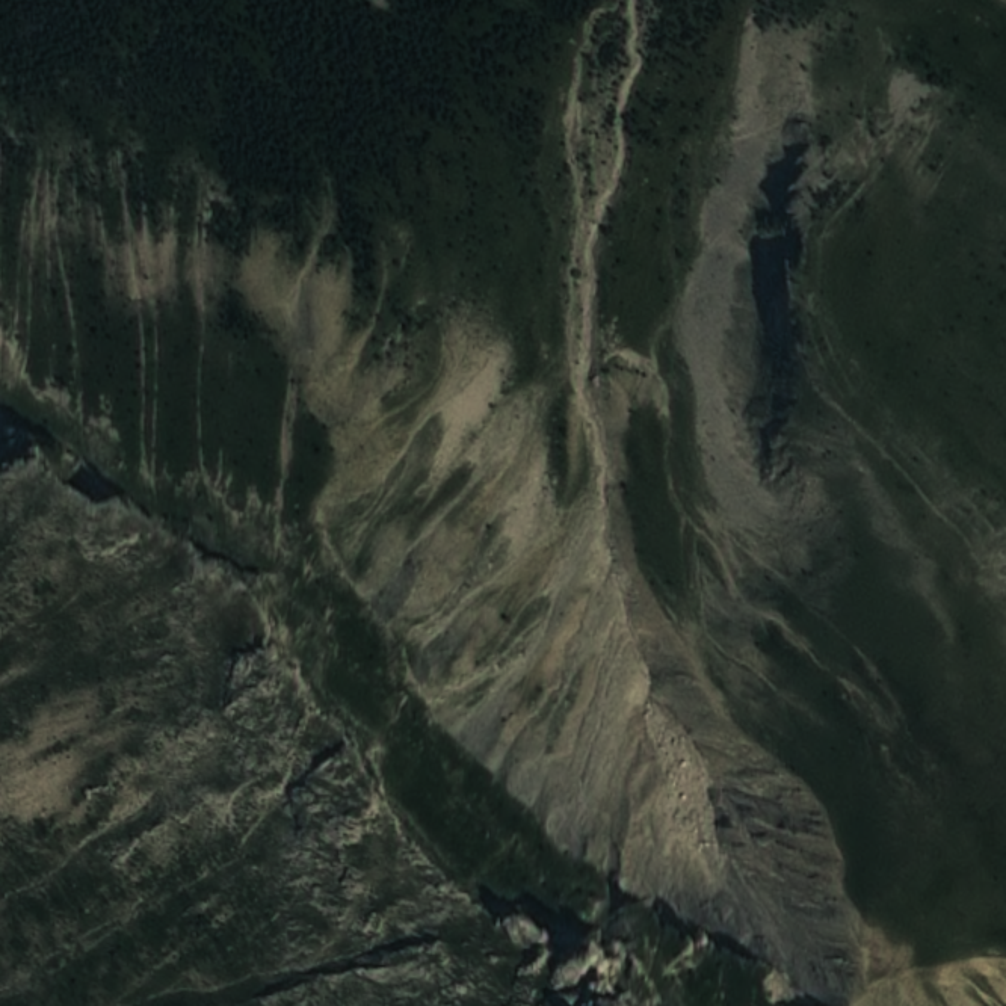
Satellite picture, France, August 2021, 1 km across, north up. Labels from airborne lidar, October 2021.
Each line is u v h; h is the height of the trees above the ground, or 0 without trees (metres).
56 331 0
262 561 0
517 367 0
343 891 0
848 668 0
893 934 0
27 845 0
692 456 0
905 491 0
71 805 0
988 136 0
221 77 7
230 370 0
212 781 0
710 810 0
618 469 0
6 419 0
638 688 0
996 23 0
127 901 0
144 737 0
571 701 0
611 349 0
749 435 0
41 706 0
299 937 0
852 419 0
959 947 0
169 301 0
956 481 0
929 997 0
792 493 0
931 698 0
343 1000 0
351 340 0
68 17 8
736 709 0
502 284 0
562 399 0
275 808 0
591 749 0
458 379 0
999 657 0
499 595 0
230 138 11
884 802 0
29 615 0
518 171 0
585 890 0
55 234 0
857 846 0
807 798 0
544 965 0
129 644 0
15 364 0
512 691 0
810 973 0
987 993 0
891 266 0
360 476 0
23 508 0
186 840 0
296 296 0
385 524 0
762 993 0
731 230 0
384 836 0
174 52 10
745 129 0
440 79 12
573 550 0
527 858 0
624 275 0
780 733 0
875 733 0
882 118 0
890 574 0
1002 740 0
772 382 0
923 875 0
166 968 0
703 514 0
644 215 0
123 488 0
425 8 9
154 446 0
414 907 0
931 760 0
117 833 0
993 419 0
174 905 0
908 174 0
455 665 0
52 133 0
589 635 0
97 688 0
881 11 0
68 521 0
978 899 0
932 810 0
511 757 0
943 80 8
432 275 0
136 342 0
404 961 0
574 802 0
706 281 0
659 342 0
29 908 0
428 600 0
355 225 9
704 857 0
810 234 0
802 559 0
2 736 0
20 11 10
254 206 6
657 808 0
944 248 0
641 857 0
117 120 0
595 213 0
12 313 0
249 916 0
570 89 0
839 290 0
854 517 0
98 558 0
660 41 8
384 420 0
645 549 0
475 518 0
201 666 0
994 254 0
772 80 0
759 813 0
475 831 0
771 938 0
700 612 0
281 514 0
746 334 0
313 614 0
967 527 0
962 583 0
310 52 11
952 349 0
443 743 0
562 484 0
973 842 0
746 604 0
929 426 0
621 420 0
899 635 0
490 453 0
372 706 0
